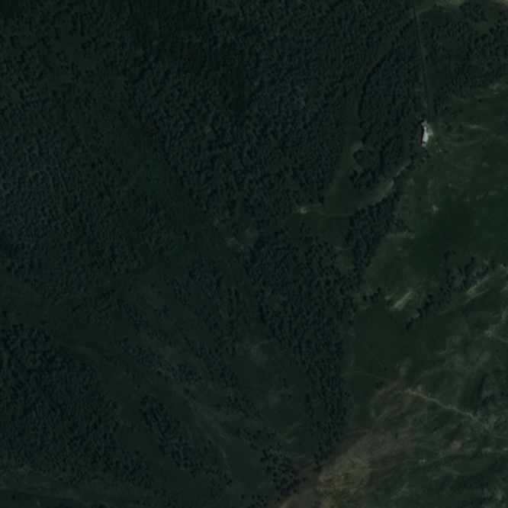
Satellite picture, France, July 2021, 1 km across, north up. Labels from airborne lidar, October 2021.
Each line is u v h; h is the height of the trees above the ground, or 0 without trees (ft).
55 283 45
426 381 0
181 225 22
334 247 31
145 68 44
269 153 72
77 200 43
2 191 72
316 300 50
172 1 31
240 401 35
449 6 0
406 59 36
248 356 0
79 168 45
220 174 100
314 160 39
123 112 37
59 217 55
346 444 0
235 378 23
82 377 65
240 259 27
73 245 51
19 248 48
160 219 43
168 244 31
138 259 58
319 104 41
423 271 0
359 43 61
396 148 31
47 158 56
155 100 86
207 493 0
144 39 43
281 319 40
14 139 69
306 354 39
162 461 0
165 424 38
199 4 49
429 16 0
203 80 59
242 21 56
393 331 0
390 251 0
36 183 54
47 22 60
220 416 0
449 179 0
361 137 0
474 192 0
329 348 37
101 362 0
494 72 38
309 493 0
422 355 0
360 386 0
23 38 55
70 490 0
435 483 0
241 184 52
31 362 66
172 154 68
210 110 76
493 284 0
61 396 73
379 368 0
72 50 0
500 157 0
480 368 0
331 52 82
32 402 35
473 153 0
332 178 60
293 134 54
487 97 0
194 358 0
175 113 84
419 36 22
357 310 57
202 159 96
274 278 43
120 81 0
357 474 0
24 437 88
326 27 82
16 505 0
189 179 72
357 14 71
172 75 94
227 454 0
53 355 30
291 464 25
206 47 52
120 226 21
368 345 0
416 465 0
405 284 0
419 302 0
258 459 0
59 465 36
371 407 0
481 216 0
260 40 68
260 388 0
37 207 54
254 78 42
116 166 23
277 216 44
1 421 82
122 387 0
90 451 60
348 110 75
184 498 0
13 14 30
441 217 0
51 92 31
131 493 0
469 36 58
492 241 0
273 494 0
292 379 0
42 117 75
